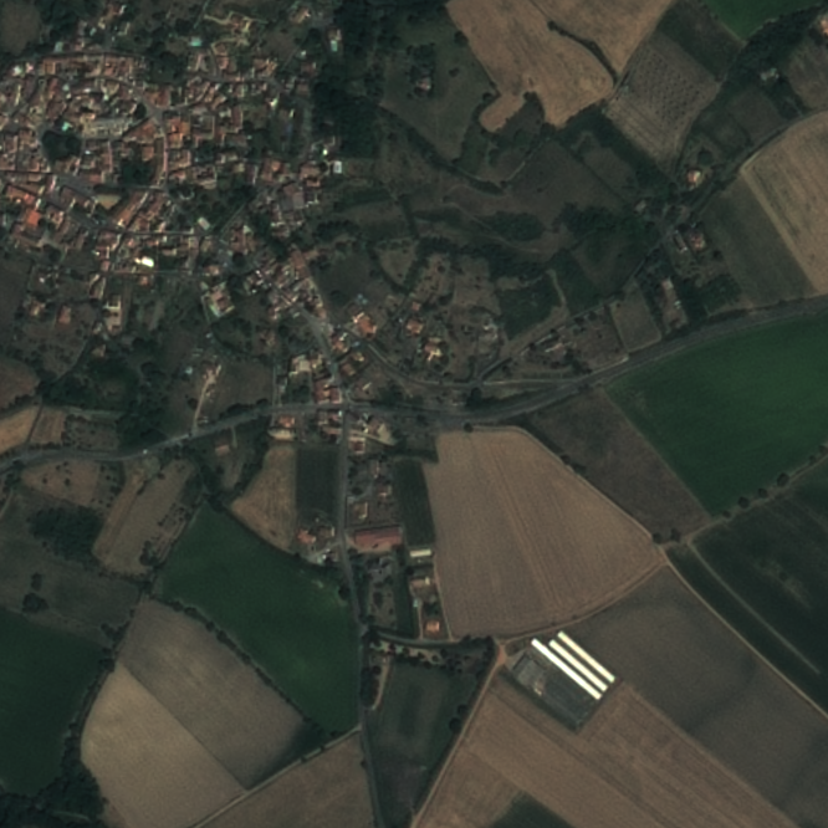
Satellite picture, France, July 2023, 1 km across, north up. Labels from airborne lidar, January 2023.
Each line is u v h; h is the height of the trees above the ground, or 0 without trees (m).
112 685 0
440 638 0
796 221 0
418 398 0
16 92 0
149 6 0
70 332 0
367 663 6
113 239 0
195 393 0
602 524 0
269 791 0
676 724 0
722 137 0
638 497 0
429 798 0
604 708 0
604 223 9
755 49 12
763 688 0
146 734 0
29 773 0
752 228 0
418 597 0
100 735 0
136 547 0
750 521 0
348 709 0
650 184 8
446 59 0
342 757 0
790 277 0
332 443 7
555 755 0
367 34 12
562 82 0
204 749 0
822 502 0
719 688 0
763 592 0
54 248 6
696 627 0
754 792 0
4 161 0
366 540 0
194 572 0
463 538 0
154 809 0
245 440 0
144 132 0
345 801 0
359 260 0
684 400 0
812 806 0
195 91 0
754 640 0
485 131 8
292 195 0
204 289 0
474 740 0
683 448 0
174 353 0
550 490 0
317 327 0
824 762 0
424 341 6
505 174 0
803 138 0
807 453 0
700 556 0
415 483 0
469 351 0
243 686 0
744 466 0
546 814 0
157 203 0
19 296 0
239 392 0
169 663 0
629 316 0
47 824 24
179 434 0
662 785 0
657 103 0
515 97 0
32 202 0
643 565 0
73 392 6
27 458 0
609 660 0
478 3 0
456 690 0
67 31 18
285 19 10
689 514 0
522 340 0
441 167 6
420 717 0
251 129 7
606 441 0
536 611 0
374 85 12
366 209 0
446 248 10
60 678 0
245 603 0
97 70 0
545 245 0
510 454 0
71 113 0
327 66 7
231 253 0
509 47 0
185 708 0
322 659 0
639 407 0
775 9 0
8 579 0
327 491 0
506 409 0
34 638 0
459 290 0
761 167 0
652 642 0
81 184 0
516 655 0
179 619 0
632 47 0
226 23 0
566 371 0
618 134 11
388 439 0
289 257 6
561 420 0
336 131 7
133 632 0
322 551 0
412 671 0
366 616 6
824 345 0
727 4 0
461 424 0
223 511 10
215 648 0
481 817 0
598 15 0
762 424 0
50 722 0
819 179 0
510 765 0
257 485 0
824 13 8
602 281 0
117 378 0
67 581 0
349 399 0
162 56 6
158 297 0
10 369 0
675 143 0
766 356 0
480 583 0
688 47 0
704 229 13
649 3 0
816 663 0
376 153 10
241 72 0
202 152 10
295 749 0
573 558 0
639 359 0
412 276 7
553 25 9
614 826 0
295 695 0
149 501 0
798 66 0
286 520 0
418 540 0
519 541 0
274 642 0
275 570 0
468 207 0
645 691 0
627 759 0
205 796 0
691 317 8
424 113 0
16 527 0
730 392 0
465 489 0
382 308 7
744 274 0
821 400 0
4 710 0
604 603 0
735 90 6
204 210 9
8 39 0
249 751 0
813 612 0
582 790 0
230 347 7
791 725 0
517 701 0
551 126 11
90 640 0
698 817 0
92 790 13
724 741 0
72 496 0
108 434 0
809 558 0
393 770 0
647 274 15
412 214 6
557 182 0
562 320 0
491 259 12
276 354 0
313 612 0
